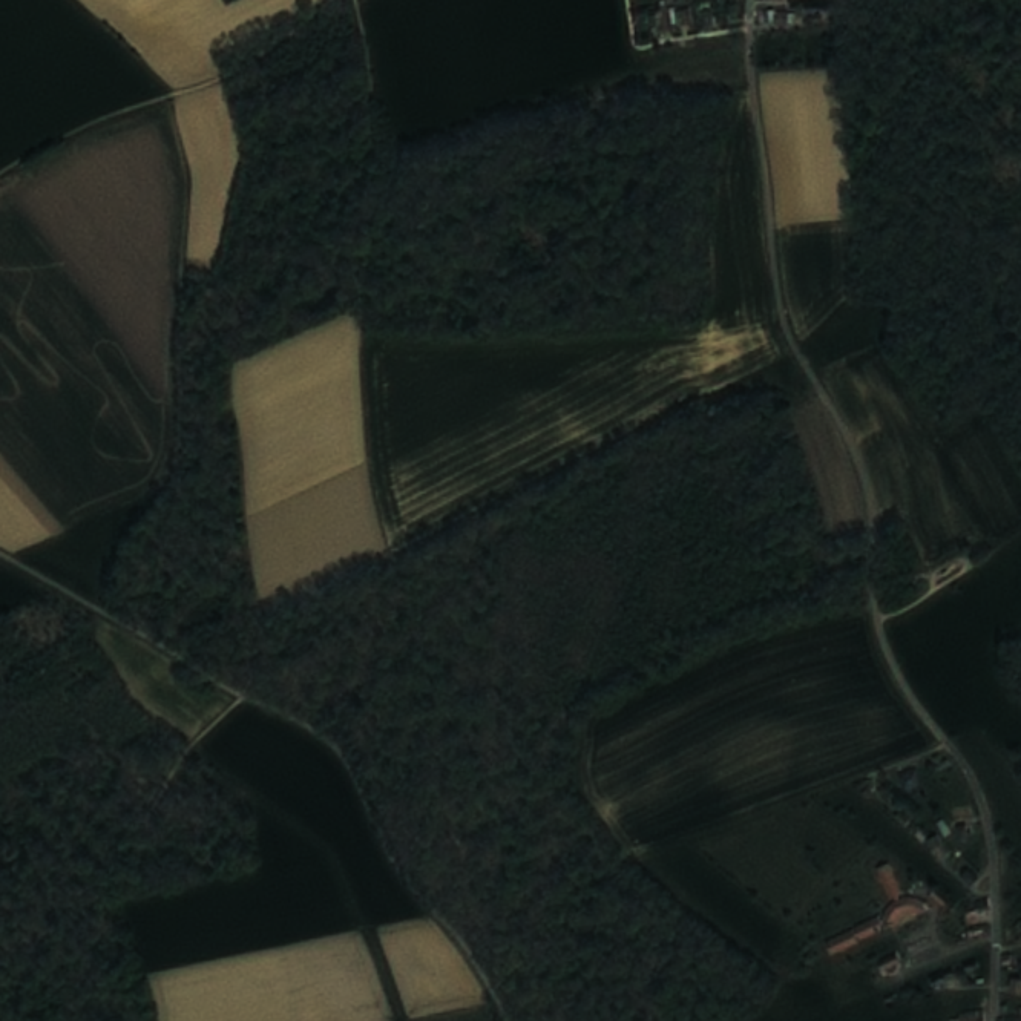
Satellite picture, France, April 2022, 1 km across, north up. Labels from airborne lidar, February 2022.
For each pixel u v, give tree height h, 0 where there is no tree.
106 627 0
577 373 0
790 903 0
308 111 28
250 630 25
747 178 0
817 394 0
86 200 0
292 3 0
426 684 26
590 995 31
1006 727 0
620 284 31
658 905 27
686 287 30
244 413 0
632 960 33
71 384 0
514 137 31
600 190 30
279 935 0
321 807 0
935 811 13
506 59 0
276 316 30
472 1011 0
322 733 21
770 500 26
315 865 0
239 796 0
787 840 0
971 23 27
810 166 0
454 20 0
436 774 28
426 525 0
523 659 19
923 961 0
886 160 24
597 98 19
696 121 31
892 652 0
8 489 0
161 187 0
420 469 0
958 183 24
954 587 8
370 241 30
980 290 28
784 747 0
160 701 0
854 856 0
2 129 0
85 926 26
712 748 0
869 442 0
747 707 0
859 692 0
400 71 0
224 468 27
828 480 0
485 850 28
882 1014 0
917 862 0
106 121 0
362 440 0
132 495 0
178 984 0
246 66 16
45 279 0
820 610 27
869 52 27
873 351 0
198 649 13
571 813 28
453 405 0
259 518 0
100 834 32
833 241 0
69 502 0
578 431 0
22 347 0
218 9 0
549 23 0
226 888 0
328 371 0
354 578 26
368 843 0
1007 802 0
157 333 0
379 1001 0
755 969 25
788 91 0
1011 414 28
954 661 0
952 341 24
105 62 0
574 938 21
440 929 0
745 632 22
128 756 23
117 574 24
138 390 0
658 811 0
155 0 0
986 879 0
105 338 0
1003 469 0
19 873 20
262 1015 0
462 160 25
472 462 0
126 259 0
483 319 27
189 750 9
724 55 0
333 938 0
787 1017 0
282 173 30
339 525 0
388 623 28
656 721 0
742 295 0
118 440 0
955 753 0
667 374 0
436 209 25
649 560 15
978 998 0
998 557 0
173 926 0
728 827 0
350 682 22
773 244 0
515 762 32
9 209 0
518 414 0
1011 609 0
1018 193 7
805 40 0
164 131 0
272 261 13
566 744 30
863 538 27
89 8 0
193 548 27
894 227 24
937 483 0
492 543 12
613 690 28
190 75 0
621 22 0
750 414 30
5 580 0
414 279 28
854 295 18
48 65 0
